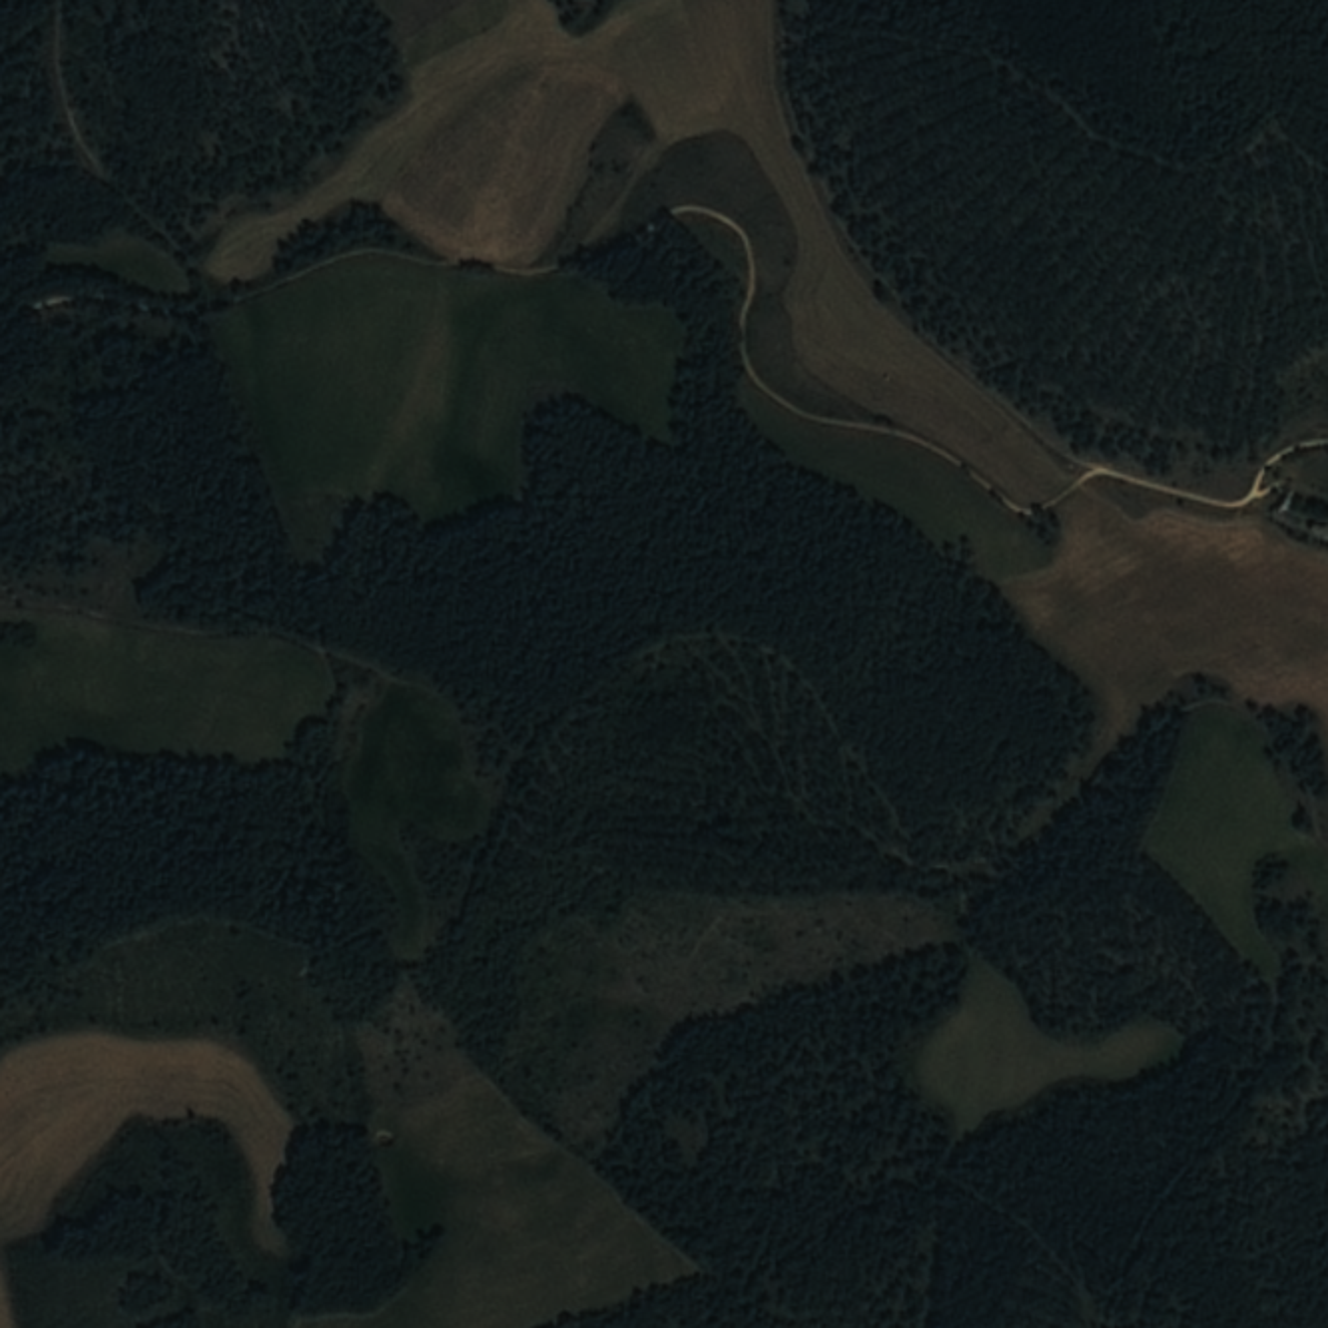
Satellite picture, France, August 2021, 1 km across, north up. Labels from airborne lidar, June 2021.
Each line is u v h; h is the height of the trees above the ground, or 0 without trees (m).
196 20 12
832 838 14
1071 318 10
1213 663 0
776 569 15
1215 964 7
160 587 12
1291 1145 13
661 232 8
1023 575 0
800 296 0
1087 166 12
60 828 16
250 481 14
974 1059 0
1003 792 11
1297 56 15
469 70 0
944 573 14
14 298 14
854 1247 14
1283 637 0
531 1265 0
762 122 0
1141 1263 12
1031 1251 11
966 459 0
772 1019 10
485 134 0
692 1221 8
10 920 17
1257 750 0
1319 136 9
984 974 0
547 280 0
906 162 12
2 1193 0
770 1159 11
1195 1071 15
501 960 17
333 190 0
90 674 0
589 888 10
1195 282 9
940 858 11
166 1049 0
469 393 0
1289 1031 10
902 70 13
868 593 11
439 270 0
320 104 13
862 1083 10
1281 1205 9
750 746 12
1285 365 10
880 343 0
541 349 0
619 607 14
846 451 0
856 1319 10
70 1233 13
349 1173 20
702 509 13
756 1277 11
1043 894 12
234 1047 0
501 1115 0
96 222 12
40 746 0
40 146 6
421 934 0
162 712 0
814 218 0
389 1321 0
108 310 12
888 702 13
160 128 14
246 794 12
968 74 11
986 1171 9
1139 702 0
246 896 15
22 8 17
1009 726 13
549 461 11
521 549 13
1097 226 10
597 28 0
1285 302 8
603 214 0
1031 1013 8
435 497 0
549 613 13
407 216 0
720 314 14
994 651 15
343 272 0
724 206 0
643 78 0
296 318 0
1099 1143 12
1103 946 7
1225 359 11
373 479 0
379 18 15
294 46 14
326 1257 16
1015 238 12
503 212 0
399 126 0
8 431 12
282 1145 0
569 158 0
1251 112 7
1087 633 0
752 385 0
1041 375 13
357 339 0
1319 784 15
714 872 8
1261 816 0
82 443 13
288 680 0
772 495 16
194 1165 7
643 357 0
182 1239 10
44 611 0
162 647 0
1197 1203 12
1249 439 7
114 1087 0
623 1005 0
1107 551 0
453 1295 0
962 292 13
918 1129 12
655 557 13
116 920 11
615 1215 0
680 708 11
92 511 9
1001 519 0
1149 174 11
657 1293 9
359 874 8
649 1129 14
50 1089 0
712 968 0
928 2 9
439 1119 0
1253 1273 10
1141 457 7
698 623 12
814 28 11
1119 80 12
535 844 10
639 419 0
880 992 12
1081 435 11
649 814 12
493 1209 0
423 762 0
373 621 14
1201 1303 12
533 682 14
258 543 14
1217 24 10
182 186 9
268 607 14
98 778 18
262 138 11
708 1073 14
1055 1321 10
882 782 13
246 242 0
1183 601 0
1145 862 9
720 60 0
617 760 10
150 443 17
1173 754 10
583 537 12
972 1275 10
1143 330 11
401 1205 0
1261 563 0
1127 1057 0
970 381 0
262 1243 0
